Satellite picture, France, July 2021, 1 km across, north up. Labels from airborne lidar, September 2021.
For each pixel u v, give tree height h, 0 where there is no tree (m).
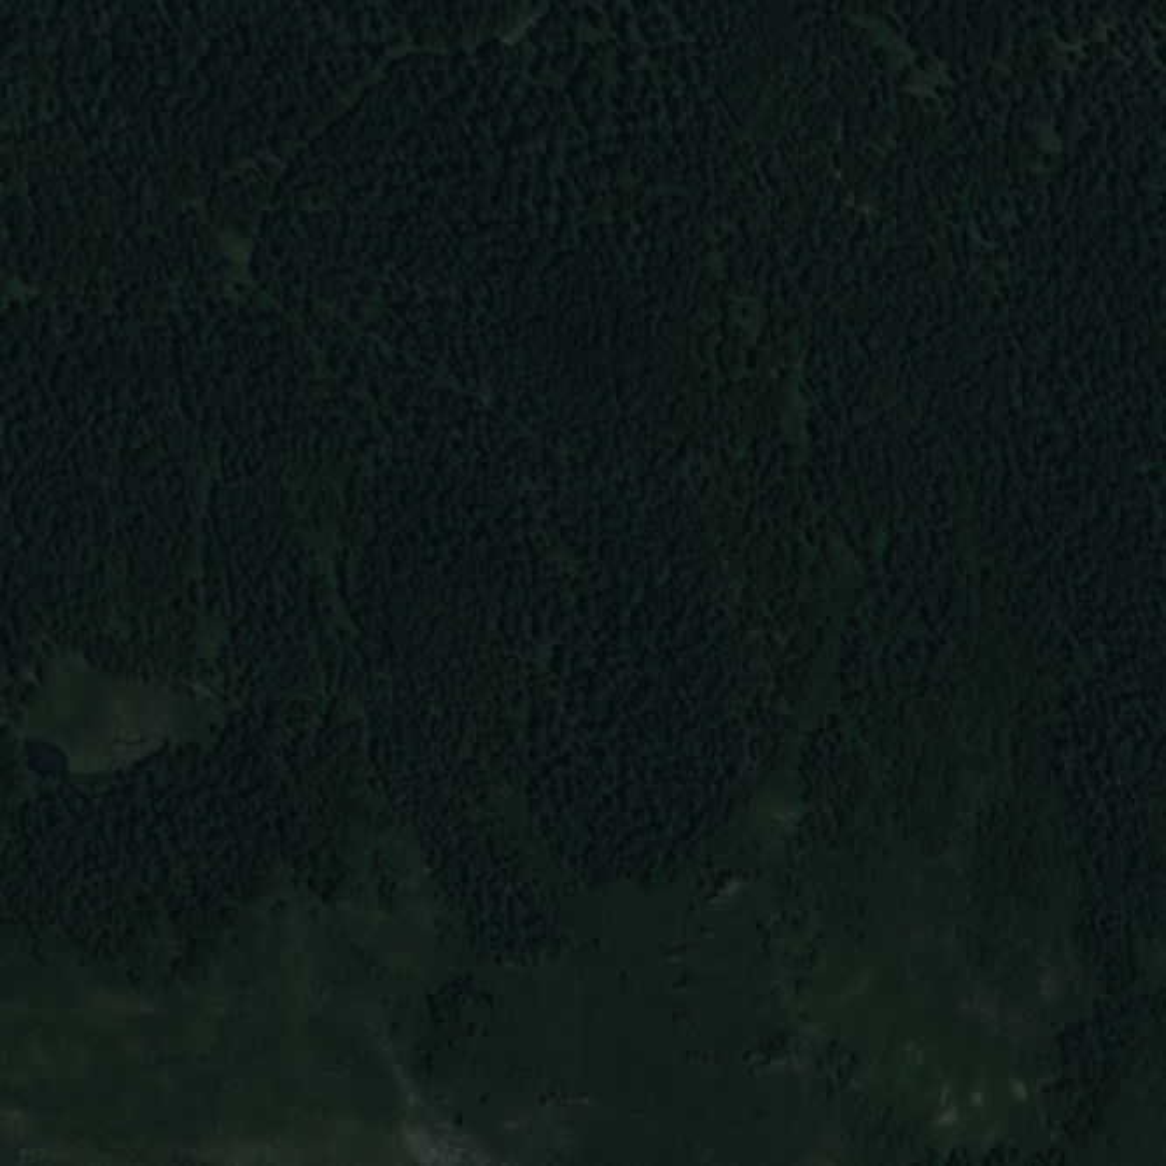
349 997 0
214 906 25
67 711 0
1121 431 12
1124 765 17
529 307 22
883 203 10
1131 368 22
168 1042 0
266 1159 0
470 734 19
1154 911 10
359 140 15
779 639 24
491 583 11
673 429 20
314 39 25
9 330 20
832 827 20
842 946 0
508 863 17
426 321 19
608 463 21
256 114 27
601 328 17
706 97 19
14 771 24
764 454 23
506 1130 0
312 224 27
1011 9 28
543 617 24
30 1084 0
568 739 24
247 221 12
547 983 0
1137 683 26
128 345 23
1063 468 19
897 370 13
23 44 29
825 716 11
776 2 22
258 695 16
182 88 17
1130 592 15
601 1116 0
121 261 13
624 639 26
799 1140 0
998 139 13
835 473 21
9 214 22
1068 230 21
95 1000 0
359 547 14
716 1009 0
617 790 17
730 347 27
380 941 0
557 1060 0
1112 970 10
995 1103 0
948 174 19
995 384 27
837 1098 11
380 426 23
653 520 13
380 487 14
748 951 0
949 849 6
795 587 7
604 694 27
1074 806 6
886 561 12
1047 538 14
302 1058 0
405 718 14
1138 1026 8
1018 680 7
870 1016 0
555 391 19
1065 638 13
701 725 17
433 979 0
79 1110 0
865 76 21
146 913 16
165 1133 0
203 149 21
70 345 24
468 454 21
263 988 0
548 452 11
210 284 22
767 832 0
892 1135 8
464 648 18
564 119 21
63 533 22
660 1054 0
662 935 0
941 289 25
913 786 9
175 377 23
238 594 19
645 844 16
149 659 14
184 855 15
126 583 11
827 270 20
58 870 14
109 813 27
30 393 28
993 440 21
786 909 6
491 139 23
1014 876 8
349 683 16
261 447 21
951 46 30
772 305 23
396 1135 0
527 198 22
